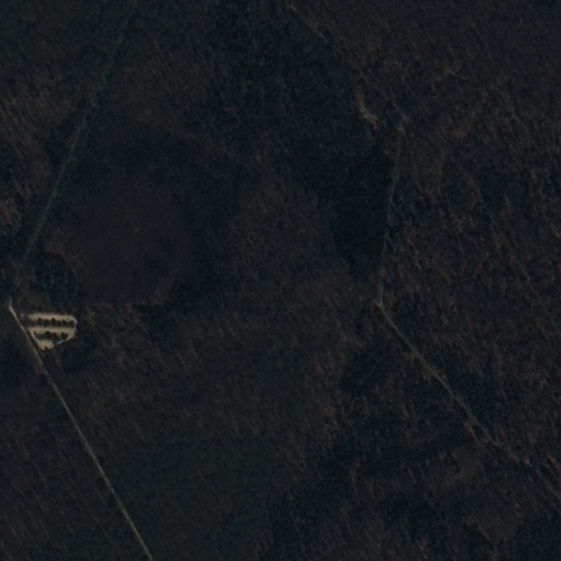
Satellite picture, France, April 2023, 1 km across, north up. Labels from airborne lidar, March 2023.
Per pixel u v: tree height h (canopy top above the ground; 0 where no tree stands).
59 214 10
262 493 24
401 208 17
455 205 10
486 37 25
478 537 12
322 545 23
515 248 20
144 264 13
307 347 23
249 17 19
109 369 23
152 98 19
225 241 15
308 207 17
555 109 16
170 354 30
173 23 19
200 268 15
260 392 29
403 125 0
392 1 26
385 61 22
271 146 20
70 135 15
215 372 24
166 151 13
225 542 23
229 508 23
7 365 12
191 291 13
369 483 15
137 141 14
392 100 21
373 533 26
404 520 25
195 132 14
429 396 13
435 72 21
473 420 0
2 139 22
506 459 18
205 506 28
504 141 24
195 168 12
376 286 14
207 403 29
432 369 0
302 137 18
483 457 18
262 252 13
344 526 21
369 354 11
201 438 25
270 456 27
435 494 11
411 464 8
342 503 20
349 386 12
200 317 26
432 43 24
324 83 20
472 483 13
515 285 23
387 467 9
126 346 20
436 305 21
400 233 21
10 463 25
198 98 21
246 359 23
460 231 13
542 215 18
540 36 19
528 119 24
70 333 0
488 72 22
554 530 12
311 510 15
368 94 20
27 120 24
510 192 23
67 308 15
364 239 20
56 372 23
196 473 28
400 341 10
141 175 14
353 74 26
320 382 25
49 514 29
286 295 21
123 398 26
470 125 23
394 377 13
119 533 24
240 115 23
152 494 23
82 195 14
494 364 18
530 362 18
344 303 27
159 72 15
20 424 22
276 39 20
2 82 24
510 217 18
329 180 18
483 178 22
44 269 17
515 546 15
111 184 14
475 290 19
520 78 20
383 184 23
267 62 19
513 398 19
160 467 21
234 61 18
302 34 22
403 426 9
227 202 13
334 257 26
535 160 28
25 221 10
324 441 19
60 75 25
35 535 29
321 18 22
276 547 21
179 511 25
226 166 13
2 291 19
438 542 21
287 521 17
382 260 15
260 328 29
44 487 28
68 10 27
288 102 20
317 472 22
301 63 25
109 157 14
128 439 16
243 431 23
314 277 29
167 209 12
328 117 28
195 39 28
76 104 22
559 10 22
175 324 20
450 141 23
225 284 14
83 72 23
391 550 23
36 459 27
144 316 13
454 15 20
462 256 23
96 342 19
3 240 14
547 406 19
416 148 21
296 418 27
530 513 16
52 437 25
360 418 16
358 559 24
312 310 27
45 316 0
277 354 6
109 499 26
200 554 26
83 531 27
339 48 23
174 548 29
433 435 13
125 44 8
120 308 20
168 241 13
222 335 30
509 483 16
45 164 19
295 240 19
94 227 9
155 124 14
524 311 19
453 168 19
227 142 19
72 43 15
